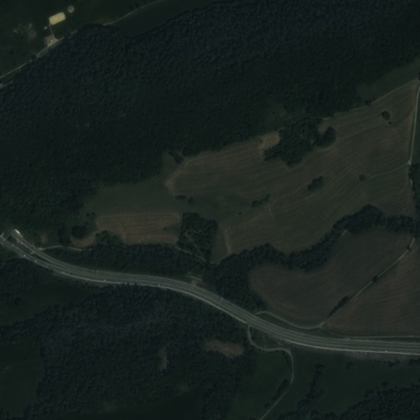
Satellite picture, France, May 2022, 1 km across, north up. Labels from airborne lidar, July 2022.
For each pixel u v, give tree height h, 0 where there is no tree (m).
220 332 26
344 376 0
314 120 11
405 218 16
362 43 9
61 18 0
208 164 0
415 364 16
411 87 0
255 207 13
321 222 0
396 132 0
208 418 23
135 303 27
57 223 7
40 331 25
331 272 0
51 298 0
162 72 16
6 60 0
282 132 8
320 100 22
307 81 15
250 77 11
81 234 19
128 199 0
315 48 13
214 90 10
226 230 0
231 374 30
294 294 0
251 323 0
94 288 9
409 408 22
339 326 0
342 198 0
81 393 22
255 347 7
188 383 14
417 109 0
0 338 17
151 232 0
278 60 13
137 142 19
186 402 0
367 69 18
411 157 0
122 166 21
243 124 12
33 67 16
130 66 22
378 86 0
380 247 0
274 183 0
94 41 16
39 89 13
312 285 0
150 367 23
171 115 20
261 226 0
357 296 0
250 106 20
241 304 8
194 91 11
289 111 15
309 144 9
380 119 0
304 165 0
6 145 12
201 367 23
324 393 8
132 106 14
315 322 0
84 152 12
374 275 0
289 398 0
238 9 22
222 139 20
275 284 0
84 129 11
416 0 12
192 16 14
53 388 22
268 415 0
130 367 19
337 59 17
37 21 0
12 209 10
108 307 19
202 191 0
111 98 13
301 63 14
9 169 17
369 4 10
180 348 23
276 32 14
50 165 20
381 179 0
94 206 0
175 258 13
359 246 0
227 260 15
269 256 24
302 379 0
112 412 0
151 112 18
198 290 0
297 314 0
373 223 21
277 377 0
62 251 12
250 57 12
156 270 11
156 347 25
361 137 0
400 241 0
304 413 18
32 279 19
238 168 0
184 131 21
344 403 0
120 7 0
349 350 0
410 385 0
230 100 9
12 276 26
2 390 0
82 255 13
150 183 0
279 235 0
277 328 0
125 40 11
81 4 0
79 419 0
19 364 0
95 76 19
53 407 25
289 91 16
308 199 0
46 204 21
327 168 0
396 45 19
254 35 27
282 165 0
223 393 26
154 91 16
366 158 0
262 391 0
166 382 21
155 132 20
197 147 20
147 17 0
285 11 24
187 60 17
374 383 0
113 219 0
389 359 0
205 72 15
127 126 17
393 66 21
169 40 19
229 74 15
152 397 16
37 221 9
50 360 19
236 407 0
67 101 12
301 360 0
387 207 0
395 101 0
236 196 0
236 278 24
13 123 17
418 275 0
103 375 23
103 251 22
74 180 22
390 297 0
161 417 0
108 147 14
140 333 32
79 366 20
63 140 11
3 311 0
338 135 0
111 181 18
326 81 20
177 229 0
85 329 21
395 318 0
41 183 21
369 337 0
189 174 0
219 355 24
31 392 0
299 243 0
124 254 20
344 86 23
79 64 14
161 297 23
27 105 17
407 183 0
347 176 0
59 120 9
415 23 17
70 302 0
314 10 14
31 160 15
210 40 22
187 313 18
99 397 20
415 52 18
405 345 0
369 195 0
